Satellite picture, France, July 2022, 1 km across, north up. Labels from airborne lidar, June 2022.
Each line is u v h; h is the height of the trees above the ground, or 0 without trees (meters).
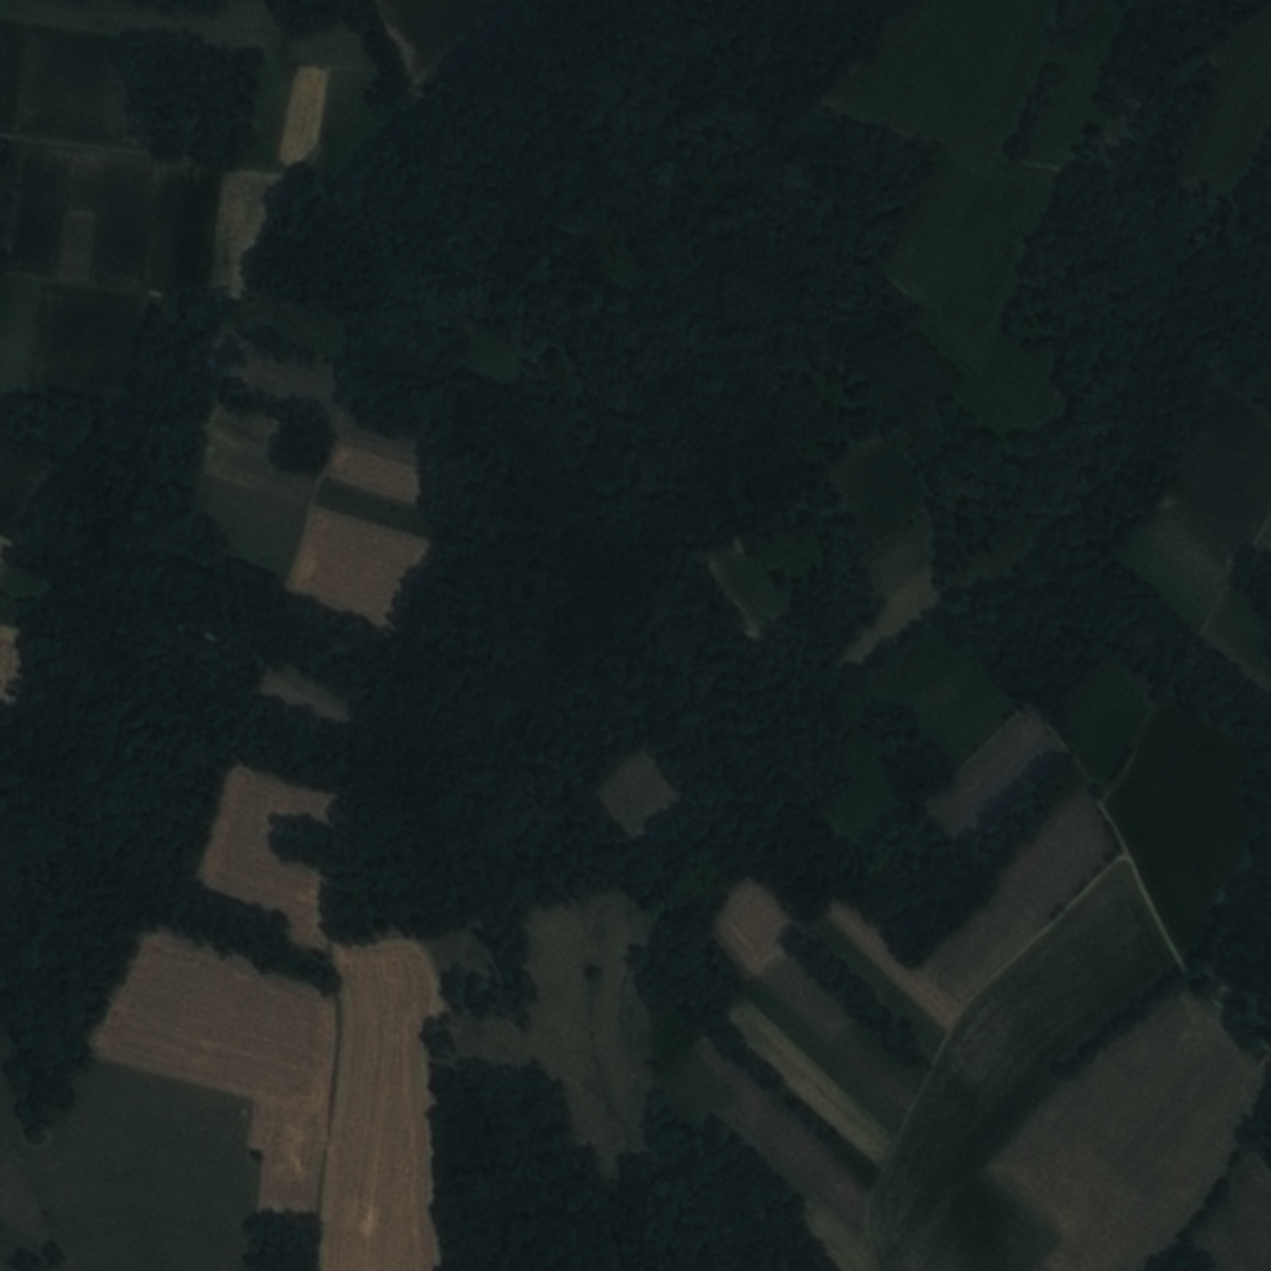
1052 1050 0
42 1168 0
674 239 11
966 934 0
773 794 26
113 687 19
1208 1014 0
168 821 27
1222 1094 0
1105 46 0
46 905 35
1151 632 22
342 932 16
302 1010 0
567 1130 19
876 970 0
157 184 0
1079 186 18
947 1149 0
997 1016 0
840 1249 0
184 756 24
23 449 13
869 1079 0
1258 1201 0
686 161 11
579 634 25
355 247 28
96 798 30
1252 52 0
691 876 31
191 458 26
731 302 21
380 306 28
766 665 20
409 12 0
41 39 0
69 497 14
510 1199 24
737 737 24
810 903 20
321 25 16
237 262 0
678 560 18
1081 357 26
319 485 0
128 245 0
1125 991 0
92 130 0
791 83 16
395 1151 0
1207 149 0
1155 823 0
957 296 0
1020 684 21
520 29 29
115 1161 0
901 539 0
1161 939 0
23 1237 0
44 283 0
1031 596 29
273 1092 0
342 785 16
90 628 30
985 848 24
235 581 17
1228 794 0
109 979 21
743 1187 24
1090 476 23
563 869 22
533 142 29
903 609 0
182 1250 0
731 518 13
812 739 20
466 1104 9
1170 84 23
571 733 19
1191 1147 0
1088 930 0
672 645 24
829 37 21
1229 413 0
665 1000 19
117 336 0
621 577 23
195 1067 0
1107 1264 0
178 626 26
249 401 25
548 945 0
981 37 0
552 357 18
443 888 16
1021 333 15
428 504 17
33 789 23
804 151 16
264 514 0
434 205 29
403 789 15
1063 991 0
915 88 0
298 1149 0
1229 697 18
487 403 21
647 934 0
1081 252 20
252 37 0
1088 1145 0
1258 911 22
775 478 12
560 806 24
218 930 24
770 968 0
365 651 24
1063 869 0
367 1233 0
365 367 17
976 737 0
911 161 12
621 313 21
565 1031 0
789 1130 0
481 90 30
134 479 30
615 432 14
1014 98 0
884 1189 0
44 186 0
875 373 8
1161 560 0
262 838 0
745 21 16
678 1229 28
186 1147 0
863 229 14
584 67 30
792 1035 0
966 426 16
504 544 19
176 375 30
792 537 16
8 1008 26
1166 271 29
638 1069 0
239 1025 0
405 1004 0
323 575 0
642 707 21
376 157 23
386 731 21
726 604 24
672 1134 25
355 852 15
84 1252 0
